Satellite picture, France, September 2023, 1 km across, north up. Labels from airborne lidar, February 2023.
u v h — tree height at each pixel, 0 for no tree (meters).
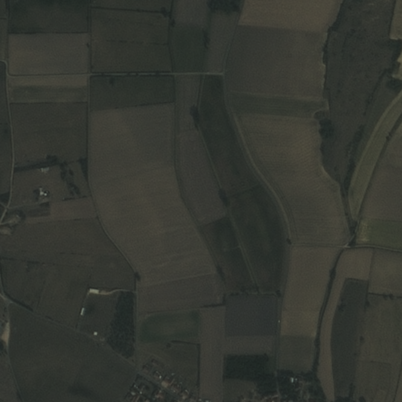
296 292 0
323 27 0
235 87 0
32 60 0
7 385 0
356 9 0
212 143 0
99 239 0
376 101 0
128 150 0
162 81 0
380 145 0
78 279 0
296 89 0
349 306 0
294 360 0
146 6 0
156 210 0
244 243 0
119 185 0
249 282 0
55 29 0
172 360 0
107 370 0
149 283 0
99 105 0
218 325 0
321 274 0
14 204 0
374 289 0
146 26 0
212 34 0
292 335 0
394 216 0
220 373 0
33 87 0
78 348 0
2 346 17
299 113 0
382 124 0
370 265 0
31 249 0
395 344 0
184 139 0
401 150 0
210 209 0
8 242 0
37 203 0
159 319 0
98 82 0
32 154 0
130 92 0
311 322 0
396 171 0
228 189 0
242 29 0
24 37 0
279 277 0
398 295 0
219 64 0
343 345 0
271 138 0
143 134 0
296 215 0
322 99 0
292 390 9
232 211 0
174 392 0
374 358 0
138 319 0
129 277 0
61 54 0
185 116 0
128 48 0
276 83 0
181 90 0
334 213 0
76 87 0
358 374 0
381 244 0
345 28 0
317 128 0
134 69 0
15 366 0
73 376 0
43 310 0
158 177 0
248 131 0
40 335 0
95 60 0
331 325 0
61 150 0
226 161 0
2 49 0
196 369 0
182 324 0
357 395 0
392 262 0
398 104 0
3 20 0
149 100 0
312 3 0
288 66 0
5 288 0
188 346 0
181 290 0
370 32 0
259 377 8
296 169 0
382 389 0
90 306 0
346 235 0
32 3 0
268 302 0
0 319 0
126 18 0
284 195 0
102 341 0
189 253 0
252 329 0
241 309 0
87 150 0
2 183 0
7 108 0
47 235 0
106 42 0
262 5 0
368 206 0
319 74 0
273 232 0
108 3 0
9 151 0
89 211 0
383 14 0
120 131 0
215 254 0
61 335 0
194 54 0
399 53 7
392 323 0
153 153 0
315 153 0
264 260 0
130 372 0
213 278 0
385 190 0
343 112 0
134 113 0
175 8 0
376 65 0
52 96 0
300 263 0
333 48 0
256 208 0
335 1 0
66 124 0
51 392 0
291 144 0
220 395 0
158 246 0
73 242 0
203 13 0
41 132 0
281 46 0
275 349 0
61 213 0
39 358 0
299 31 0
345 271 0
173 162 0
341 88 0
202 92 0
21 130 0
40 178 0
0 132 0
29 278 0
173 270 0
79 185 0
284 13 0
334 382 0
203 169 0
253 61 0
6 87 0
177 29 0
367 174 0
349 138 0
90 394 0
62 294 0
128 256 0
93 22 0
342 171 0
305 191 0
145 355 0
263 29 0
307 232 0
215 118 0
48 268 0
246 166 0
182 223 0
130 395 6
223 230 0
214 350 0
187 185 0
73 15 0
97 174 0
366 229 0
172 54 0
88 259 0
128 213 0
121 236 0
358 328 0
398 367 0
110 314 0
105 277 0
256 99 0
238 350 0
